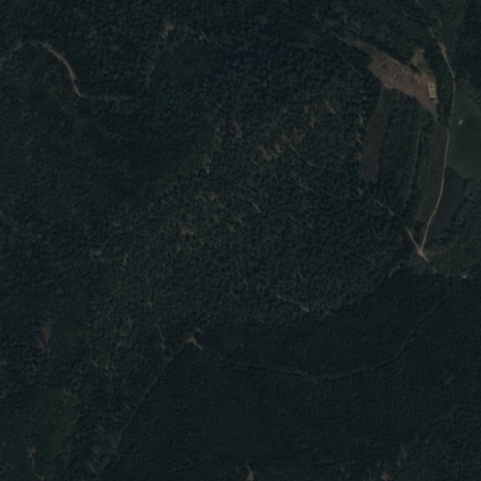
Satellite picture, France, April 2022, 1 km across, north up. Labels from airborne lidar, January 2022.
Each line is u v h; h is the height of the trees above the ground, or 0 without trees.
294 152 23
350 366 21
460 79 16
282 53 33
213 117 29
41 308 9
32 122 10
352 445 15
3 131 10
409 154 16
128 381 22
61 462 13
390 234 7
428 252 22
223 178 20
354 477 11
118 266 26
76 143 14
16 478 9
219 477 10
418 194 20
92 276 12
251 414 14
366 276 31
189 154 14
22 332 14
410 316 15
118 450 16
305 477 12
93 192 11
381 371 23
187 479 13
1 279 12
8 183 10
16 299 9
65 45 14
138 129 11
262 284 36
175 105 7
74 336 11
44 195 10
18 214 22
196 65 14
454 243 28
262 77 11
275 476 11
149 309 13
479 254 15
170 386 22
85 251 25
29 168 11
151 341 29
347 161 9
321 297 14
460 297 18
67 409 13
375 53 0
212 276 17
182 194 30
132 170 12
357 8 25
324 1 26
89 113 14
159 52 30
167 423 19
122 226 9
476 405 22
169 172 15
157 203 6
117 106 17
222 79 29
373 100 33
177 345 32
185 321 27
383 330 18
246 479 12
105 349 11
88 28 27
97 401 25
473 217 26
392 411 21
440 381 21
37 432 11
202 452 15
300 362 20
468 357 22
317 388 22
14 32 15
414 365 21
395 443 19
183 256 20
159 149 9
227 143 25
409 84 0
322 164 34
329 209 34
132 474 18
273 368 26
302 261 28
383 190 28
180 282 22
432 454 18
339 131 37
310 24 28
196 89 29
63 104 13
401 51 11
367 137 27
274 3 28
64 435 16
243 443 17
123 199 11
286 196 42
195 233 29
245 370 19
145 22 33
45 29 19
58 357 11
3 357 24
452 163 0
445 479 8
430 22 15
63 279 15
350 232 38
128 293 21
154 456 15
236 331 19
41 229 15
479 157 0
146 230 28
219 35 22
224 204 31
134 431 19
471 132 0
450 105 7
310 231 30
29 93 11
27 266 23
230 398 17
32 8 15
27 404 10
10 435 10
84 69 14
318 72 37
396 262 18
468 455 23
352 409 20
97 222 12
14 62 14
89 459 31
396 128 29
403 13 16
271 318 27
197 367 17
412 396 19
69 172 10
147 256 32
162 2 26
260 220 34
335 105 28
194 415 15
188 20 27
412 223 32
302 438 13
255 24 30
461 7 14
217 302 33
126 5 24
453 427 25
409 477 9
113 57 35
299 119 20
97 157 14
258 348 16
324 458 14
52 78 12
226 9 27
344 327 17
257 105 19
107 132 13
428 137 25
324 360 20
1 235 18
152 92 13
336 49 28
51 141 10
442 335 17
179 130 14
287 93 11
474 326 18
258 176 9
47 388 10
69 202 12
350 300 10
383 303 21
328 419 18
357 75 27
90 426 30
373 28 10
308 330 16
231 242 28
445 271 14
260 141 22
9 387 16
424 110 23
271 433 15
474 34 20
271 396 20
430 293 20
